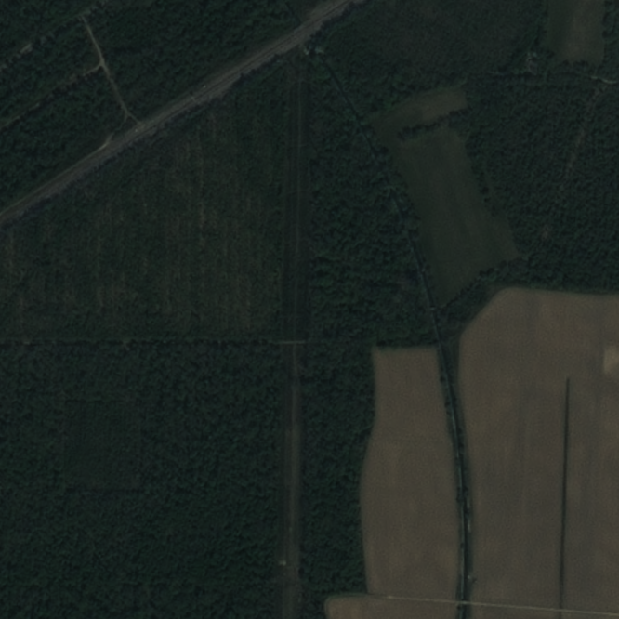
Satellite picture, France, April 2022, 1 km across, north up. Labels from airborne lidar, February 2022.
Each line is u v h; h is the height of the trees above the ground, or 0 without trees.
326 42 21
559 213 7
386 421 0
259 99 13
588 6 0
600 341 0
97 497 16
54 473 18
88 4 14
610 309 0
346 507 24
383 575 0
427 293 14
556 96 13
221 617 15
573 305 0
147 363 19
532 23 13
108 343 15
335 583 15
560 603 0
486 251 0
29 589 21
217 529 21
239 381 22
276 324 13
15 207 0
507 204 11
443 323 10
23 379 16
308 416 15
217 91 0
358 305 8
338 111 21
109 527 16
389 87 21
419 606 0
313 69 16
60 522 21
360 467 16
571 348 0
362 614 0
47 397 18
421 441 0
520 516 0
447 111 0
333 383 11
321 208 16
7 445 20
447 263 0
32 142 18
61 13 17
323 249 24
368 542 0
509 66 10
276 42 0
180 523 19
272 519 18
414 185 0
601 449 0
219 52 10
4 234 12
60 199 12
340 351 16
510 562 0
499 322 0
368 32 11
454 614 0
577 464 0
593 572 0
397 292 28
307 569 18
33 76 20
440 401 0
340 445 16
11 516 20
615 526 0
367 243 17
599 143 9
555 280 12
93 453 11
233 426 21
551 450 0
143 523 16
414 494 0
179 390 20
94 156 0
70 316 14
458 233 0
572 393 0
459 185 0
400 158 0
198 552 19
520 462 0
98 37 18
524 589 0
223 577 20
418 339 8
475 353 0
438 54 9
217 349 17
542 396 0
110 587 19
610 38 13
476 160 8
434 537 0
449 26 9
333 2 0
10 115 22
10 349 19
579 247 12
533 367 0
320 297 17
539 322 0
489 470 0
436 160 0
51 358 20
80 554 18
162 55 19
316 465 18
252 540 18
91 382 18
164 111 0
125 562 14
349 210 16
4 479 20
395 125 0
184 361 19
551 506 0
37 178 17
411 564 0
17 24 18
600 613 0
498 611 0
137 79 16
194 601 19
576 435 0
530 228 9
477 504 0
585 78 14
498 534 0
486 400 0
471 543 0
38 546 19
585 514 0
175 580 20
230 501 17
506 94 13
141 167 10
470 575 0
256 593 16
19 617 21
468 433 0
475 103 13
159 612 22
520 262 13
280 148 14
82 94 16
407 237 24
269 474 17
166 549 19
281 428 19
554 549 0
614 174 11
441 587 0
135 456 8
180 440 23
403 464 0
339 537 15
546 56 13
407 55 12
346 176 13
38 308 7
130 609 20
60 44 17
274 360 18
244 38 12
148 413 19
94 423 10
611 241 14
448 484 0
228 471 21
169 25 15
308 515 18
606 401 0
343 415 20
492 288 0
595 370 0
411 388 0
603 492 0
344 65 15
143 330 12
